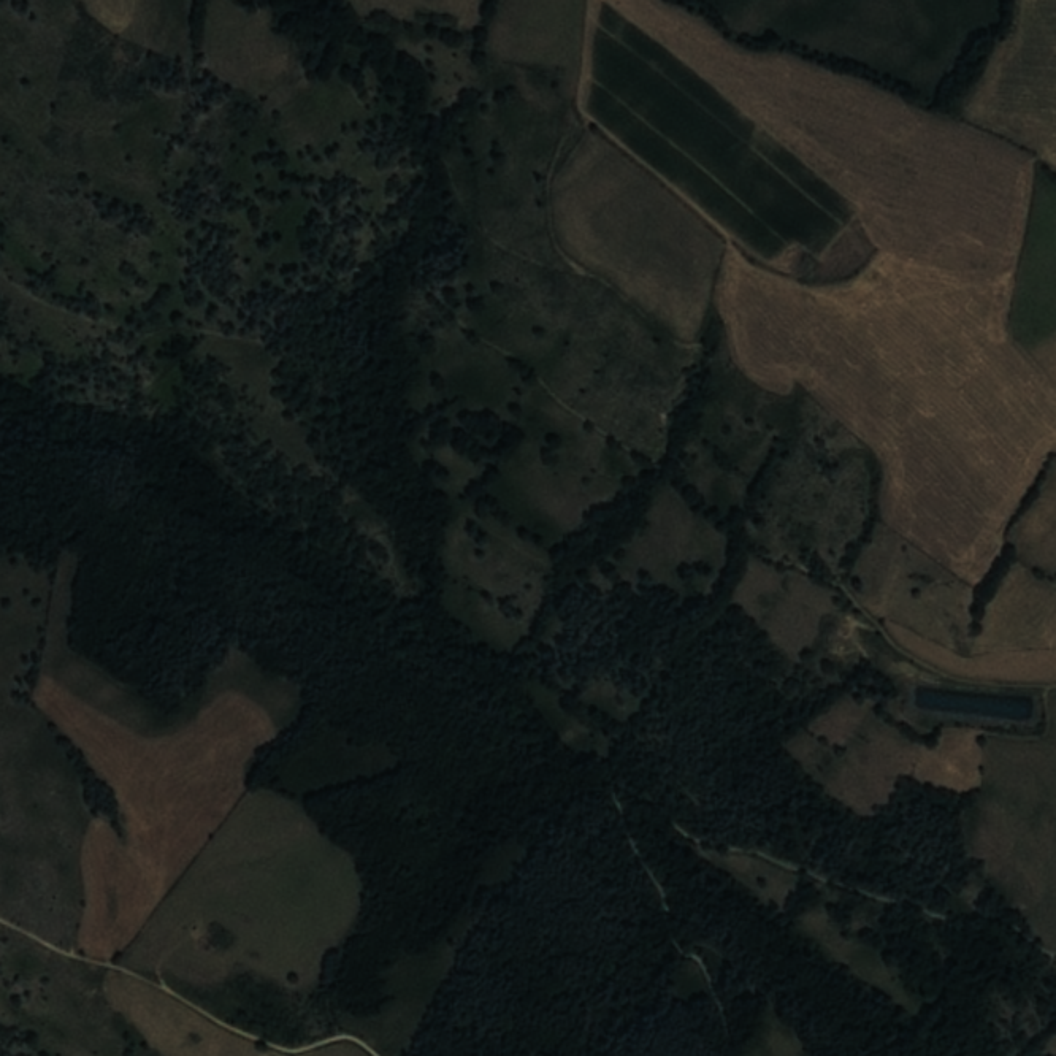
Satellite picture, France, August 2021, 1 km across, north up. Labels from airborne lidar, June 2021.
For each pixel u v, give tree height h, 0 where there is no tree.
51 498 16
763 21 0
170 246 0
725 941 10
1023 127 0
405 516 21
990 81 0
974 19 0
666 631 20
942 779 0
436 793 13
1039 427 0
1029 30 0
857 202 0
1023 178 0
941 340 0
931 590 0
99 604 9
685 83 0
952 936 19
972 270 0
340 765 0
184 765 0
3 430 14
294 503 14
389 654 13
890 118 0
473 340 12
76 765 7
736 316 0
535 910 20
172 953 0
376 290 20
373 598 14
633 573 0
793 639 0
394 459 28
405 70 26
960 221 0
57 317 0
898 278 0
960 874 13
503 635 0
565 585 11
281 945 0
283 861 0
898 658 0
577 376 0
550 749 25
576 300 0
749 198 0
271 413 0
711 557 0
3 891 0
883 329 0
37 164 0
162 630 22
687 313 0
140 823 0
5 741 0
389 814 11
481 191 0
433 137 20
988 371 0
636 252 0
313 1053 0
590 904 16
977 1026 13
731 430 8
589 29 0
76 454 14
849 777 0
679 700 15
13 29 0
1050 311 0
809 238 0
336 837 12
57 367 17
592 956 15
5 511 14
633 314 0
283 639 10
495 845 11
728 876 11
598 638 19
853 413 0
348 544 11
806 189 0
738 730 15
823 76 0
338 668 13
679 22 0
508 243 0
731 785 16
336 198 13
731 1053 15
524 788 18
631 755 11
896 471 0
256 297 15
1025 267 0
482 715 18
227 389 7
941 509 0
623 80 0
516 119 0
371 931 9
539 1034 21
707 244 0
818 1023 22
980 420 0
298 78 0
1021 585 0
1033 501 8
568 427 0
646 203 0
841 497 0
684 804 10
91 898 0
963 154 0
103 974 0
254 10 8
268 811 0
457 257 17
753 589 0
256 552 18
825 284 0
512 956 18
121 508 6
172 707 10
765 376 0
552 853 18
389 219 14
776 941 19
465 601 0
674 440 16
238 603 11
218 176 14
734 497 0
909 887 11
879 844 13
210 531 24
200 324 9
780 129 0
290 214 0
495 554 0
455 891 10
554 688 14
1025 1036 8
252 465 8
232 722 0
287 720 0
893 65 0
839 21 0
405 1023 0
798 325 0
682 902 20
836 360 0
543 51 0
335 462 10
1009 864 0
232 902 0
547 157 0
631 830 19
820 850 11
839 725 0
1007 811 0
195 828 0
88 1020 0
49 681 0
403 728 12
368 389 21
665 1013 10
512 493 0
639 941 11
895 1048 25
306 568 15
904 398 0
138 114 0
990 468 0
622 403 0
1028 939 10
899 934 9
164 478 13
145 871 0
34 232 0
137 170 0
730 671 12
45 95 0
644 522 9
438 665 11
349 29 21
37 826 0
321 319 14
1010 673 0
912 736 12
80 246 0
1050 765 0
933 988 18
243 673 0
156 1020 0
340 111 0
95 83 0
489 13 12
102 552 13
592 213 0
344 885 0
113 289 0
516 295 0
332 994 10
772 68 0
